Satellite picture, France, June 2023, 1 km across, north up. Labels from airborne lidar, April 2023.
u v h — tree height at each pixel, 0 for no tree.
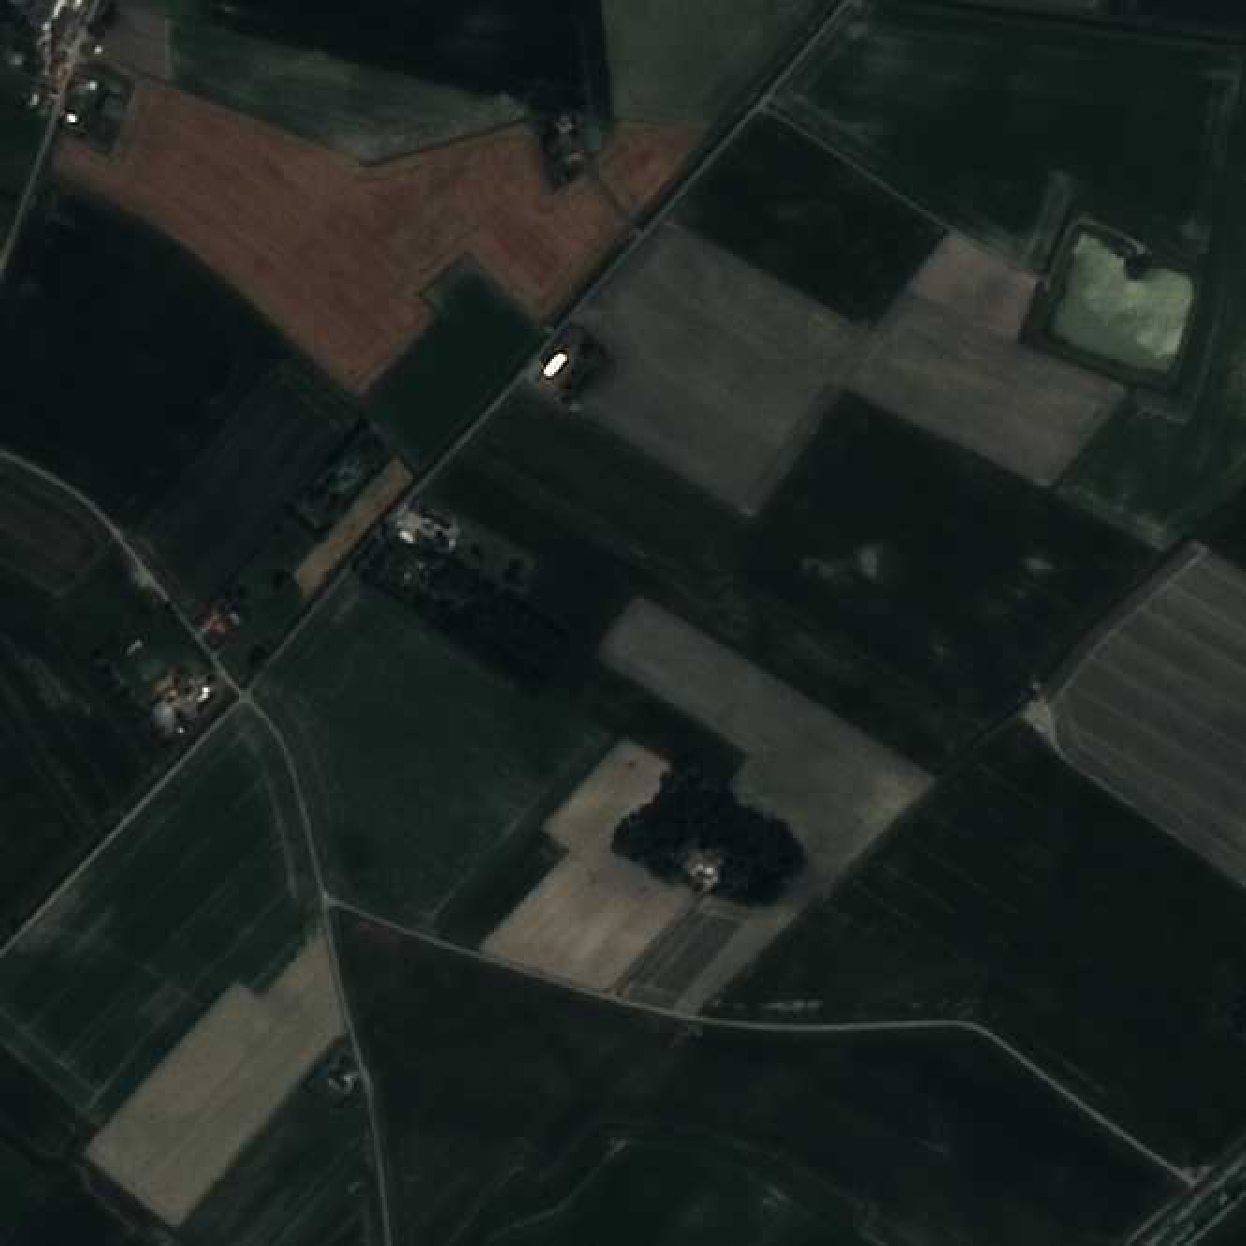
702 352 0
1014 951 0
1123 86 0
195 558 0
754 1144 0
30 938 0
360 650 0
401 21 0
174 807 0
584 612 0
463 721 0
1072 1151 0
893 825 0
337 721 0
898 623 0
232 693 0
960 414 0
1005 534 0
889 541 0
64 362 0
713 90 0
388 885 0
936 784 0
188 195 0
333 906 0
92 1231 0
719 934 0
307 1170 0
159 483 0
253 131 0
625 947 0
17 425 0
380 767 0
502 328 0
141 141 0
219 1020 0
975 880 0
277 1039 0
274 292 0
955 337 0
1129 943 0
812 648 0
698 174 0
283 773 0
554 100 0
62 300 0
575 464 0
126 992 0
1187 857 0
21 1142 0
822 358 0
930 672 0
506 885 0
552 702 0
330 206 0
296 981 0
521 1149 0
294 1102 0
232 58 0
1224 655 0
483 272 0
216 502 0
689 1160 0
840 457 0
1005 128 0
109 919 0
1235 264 0
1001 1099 0
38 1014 0
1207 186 0
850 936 0
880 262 0
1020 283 0
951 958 0
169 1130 0
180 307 0
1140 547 0
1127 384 0
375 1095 0
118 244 0
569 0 0
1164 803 0
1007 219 0
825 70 0
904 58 0
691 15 0
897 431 0
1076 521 0
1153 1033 0
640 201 0
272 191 0
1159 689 0
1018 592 0
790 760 0
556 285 0
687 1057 0
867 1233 0
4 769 0
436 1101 0
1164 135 0
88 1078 0
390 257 0
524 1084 0
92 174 0
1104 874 0
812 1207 0
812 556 0
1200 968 0
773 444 0
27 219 0
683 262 0
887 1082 0
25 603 0
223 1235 0
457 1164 0
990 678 0
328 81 0
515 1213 0
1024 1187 0
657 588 0
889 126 0
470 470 0
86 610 0
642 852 8
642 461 0
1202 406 0
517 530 0
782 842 20
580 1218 0
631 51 0
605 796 0
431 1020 0
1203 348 0
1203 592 0
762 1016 0
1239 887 0
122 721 0
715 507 0
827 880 0
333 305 0
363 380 0
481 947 0
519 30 0
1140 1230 0
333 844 0
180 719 10
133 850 0
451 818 0
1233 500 0
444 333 0
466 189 0
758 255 0
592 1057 0
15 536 0
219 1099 0
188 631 8
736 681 0
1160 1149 0
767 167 0
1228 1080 0
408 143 0
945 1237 0
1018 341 0
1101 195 0
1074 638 0
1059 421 0
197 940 0
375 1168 0
